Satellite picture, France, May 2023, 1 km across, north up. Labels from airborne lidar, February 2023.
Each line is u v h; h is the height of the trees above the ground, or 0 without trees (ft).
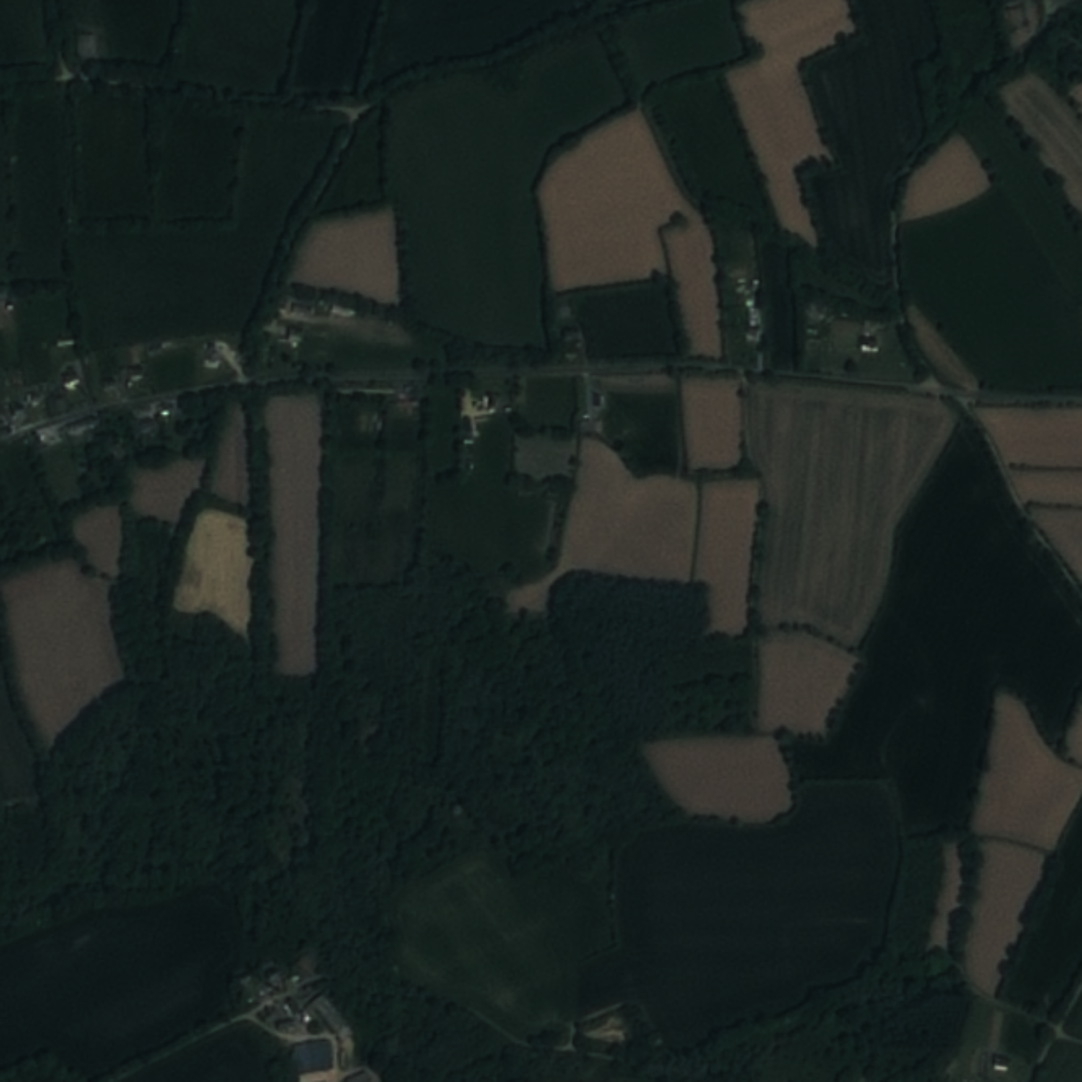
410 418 0
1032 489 0
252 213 0
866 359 0
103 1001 0
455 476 44
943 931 0
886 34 0
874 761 0
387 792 31
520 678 29
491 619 44
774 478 0
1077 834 0
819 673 0
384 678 43
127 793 52
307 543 0
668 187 0
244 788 52
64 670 0
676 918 0
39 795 51
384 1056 26
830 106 0
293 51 38
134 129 0
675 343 31
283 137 0
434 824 44
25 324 0
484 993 0
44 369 0
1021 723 0
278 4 0
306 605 0
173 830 37
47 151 0
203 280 0
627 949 0
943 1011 99
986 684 0
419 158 0
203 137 0
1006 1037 0
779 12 0
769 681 0
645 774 28
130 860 20
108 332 0
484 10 0
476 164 0
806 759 0
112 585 28
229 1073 0
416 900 0
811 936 0
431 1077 34
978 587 0
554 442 32
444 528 0
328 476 42
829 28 0
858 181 0
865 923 0
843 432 0
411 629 28
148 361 0
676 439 0
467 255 0
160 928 0
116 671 0
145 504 0
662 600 73
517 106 0
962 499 0
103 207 0
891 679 0
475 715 40
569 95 0
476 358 54
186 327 0
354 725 34
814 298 34
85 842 23
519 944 0
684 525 0
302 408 0
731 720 21
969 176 0
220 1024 27
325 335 0
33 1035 0
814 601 0
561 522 31
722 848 0
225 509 24
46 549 34
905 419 0
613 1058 35
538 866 24
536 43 45
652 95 31
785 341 0
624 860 0
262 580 38
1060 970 0
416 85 35
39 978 0
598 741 28
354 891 35
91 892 36
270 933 23
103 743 36
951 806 0
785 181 0
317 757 47
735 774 0
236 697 51
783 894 0
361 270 0
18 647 0
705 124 0
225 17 0
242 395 42
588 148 0
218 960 0
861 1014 45
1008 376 0
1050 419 0
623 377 0
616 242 0
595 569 0
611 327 0
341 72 0
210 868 41
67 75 0
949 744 0
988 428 0
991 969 0
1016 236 0
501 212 0
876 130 0
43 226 0
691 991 0
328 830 45
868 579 0
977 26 0
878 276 0
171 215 0
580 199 0
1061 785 0
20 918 82
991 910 0
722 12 0
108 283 0
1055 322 0
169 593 39
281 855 0
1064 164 0
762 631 25
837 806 0
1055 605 0
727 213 25
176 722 62
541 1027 0
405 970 0
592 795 51
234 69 0
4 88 40
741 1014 0
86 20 0
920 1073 37
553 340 31
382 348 0
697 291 0
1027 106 0
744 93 0
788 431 0
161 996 0
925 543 0
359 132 30
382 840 30
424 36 0
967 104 30
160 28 0
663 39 0
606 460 0
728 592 0
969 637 0
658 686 66
